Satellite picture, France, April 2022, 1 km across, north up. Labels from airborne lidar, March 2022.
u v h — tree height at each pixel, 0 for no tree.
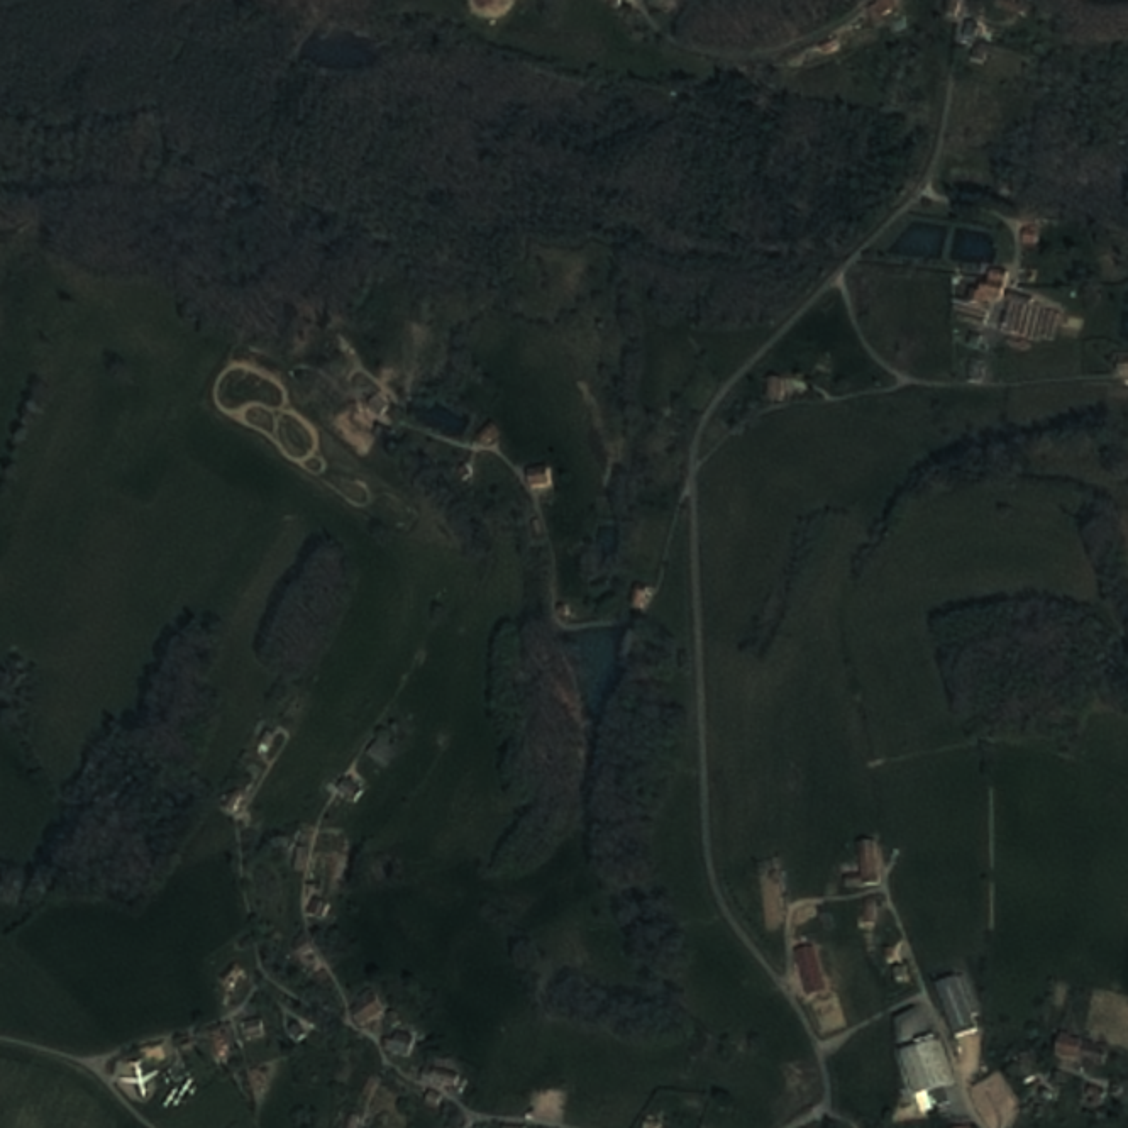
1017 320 0
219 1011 0
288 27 15
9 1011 0
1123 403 0
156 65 0
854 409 0
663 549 0
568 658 32
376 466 0
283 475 0
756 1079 0
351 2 0
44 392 17
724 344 0
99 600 0
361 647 0
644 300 0
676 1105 0
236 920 0
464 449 0
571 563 0
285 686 13
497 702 17
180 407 0
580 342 0
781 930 0
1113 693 21
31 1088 0
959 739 0
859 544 0
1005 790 0
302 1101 0
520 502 0
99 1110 0
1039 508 0
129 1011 0
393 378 0
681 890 0
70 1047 0
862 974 0
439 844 0
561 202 16
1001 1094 0
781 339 0
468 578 0
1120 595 24
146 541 0
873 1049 0
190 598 0
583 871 0
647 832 20
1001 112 0
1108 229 19
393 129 14
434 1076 0
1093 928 0
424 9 0
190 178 18
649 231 20
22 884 18
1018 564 0
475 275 14
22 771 0
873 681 0
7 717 19
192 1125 0
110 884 25
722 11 28
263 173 12
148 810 27
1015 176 21
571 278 0
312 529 0
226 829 0
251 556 0
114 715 0
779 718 0
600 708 0
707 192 20
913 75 10
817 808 0
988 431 0
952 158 0
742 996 0
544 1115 0
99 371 0
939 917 0
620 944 0
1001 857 0
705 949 0
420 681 0
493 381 9
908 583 0
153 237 29
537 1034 0
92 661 0
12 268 0
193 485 0
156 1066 0
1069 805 0
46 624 0
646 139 17
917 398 0
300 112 13
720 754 0
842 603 0
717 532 0
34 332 0
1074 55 16
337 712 0
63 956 0
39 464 0
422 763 0
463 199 15
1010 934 0
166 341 0
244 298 29
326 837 0
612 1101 0
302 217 20
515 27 0
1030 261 0
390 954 0
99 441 0
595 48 0
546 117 0
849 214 13
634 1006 23
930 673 0
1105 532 30
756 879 0
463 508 23
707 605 0
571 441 0
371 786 0
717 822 0
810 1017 0
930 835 0
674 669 24
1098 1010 0
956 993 0
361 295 24
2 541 0
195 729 26
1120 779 0
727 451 0
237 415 0
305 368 0
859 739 0
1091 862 0
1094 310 14
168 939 0
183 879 0
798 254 16
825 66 0
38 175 11
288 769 0
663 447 0
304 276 31
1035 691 24
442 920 0
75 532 0
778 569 0
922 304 0
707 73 0
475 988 0
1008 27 0
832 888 0
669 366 0
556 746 29
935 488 17
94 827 33
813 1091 0
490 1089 0
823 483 0
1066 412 0
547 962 19
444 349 0
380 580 0
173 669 30
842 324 0
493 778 0
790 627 0
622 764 29
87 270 28
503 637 18
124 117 11
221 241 32
